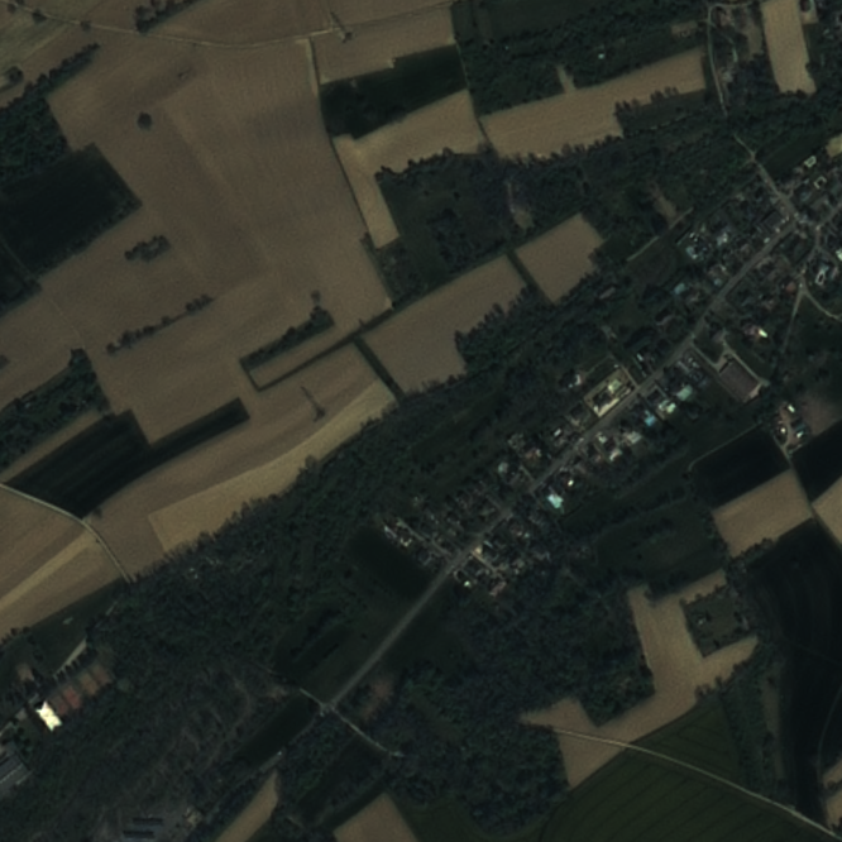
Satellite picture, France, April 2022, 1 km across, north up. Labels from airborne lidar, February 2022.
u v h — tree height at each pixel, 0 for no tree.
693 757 0
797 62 0
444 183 0
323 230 0
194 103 0
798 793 0
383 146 0
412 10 0
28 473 0
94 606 0
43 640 0
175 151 0
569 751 0
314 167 0
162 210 0
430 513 0
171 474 0
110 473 0
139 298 0
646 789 0
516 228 9
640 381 0
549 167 14
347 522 13
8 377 0
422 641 0
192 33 0
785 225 0
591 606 15
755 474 0
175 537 0
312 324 6
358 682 0
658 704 0
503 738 19
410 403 20
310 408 0
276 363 0
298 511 9
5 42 0
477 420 0
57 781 22
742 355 0
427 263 0
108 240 0
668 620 0
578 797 0
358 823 0
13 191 0
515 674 23
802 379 0
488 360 8
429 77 0
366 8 0
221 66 0
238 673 20
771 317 17
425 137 0
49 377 0
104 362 0
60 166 0
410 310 0
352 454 20
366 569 0
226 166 0
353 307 0
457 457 11
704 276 12
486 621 21
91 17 0
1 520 0
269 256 0
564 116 0
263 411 0
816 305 0
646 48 0
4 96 0
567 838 0
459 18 0
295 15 0
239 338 0
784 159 0
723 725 0
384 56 0
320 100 0
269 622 13
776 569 0
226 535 16
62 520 0
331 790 0
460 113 0
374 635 0
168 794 0
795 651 0
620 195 0
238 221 0
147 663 22
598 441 0
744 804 0
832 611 0
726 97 0
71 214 0
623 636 16
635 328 0
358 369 0
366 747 0
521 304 14
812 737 0
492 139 0
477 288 0
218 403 0
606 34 9
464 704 17
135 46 0
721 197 10
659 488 0
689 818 0
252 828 0
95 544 0
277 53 0
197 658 26
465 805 8
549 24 0
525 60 7
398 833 0
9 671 0
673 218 0
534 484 0
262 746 0
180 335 0
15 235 0
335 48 0
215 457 0
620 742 0
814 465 0
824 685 0
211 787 21
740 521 0
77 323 0
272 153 0
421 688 13
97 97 0
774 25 0
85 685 0
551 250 0
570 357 19
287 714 0
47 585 0
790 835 0
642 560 7
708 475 0
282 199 0
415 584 0
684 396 0
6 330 0
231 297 0
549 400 21
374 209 0
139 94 0
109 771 23
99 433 0
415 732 22
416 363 0
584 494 18
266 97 0
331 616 12
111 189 0
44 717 0
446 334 0
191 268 0
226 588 17
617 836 0
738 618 7
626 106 9
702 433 0
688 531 0
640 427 8
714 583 0
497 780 25
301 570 15
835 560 0
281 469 0
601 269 13
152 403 0
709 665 0
